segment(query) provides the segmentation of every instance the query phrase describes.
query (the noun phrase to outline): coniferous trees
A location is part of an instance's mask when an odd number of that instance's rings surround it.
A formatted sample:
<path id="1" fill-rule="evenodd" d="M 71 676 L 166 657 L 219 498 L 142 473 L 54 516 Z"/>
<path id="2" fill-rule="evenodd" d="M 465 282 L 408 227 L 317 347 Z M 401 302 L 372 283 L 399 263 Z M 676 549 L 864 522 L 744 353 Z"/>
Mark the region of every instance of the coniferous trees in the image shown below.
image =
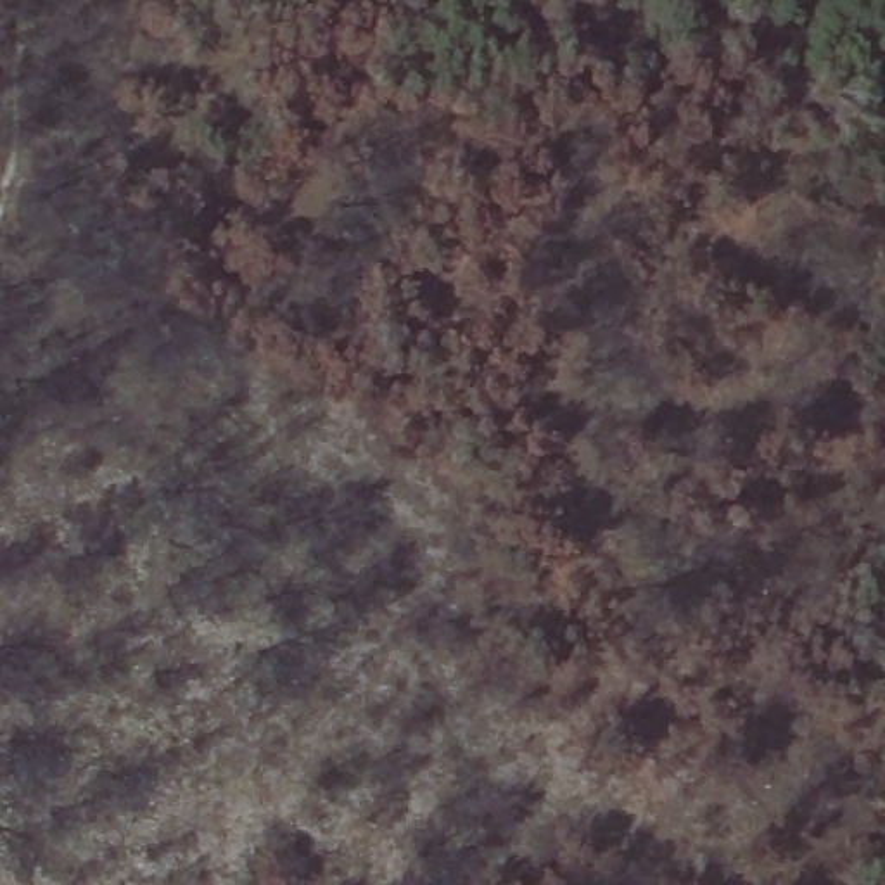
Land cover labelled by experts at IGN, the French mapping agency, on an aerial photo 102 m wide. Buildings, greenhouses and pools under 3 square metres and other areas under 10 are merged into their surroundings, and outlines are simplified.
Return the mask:
<path id="1" fill-rule="evenodd" d="M 0 885 L 885 885 L 885 0 L 0 0 Z"/>

